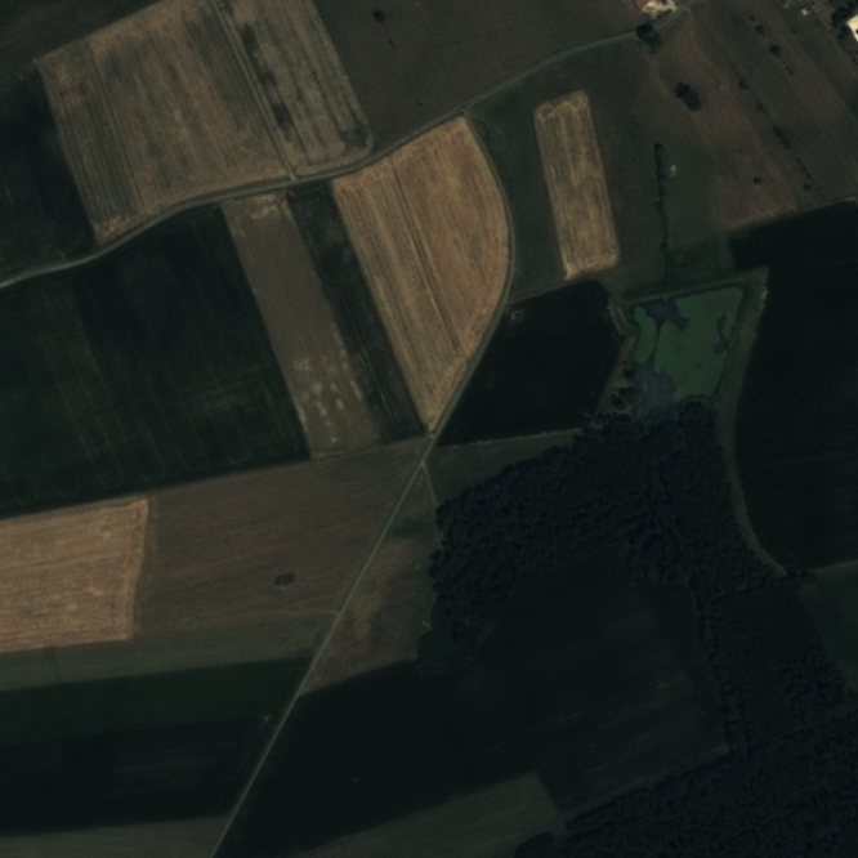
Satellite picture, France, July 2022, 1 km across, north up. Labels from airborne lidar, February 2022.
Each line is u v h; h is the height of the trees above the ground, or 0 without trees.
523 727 0
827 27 0
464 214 0
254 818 0
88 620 0
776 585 14
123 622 0
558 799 0
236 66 0
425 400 0
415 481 0
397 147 0
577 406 0
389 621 0
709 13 0
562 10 0
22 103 0
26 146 0
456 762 0
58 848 0
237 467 0
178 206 0
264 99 0
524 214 0
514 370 0
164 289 0
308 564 0
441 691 0
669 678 0
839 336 0
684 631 0
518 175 0
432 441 0
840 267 0
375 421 0
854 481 0
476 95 0
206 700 0
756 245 0
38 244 0
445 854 0
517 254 0
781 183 0
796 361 0
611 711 0
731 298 0
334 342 0
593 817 13
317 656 0
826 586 0
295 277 0
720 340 0
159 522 0
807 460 0
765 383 0
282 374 0
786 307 0
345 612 0
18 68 0
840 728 7
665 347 0
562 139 0
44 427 0
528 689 0
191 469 0
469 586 16
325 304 0
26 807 0
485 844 0
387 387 0
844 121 0
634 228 0
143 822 0
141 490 0
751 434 0
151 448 0
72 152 0
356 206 0
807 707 32
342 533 0
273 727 0
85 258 0
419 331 0
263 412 0
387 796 0
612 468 26
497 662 0
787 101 0
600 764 0
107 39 0
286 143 0
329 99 0
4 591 0
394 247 0
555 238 0
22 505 0
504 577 23
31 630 0
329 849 0
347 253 0
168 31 0
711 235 0
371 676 0
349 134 0
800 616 16
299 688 0
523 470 13
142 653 0
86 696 0
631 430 23
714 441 13
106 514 0
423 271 0
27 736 0
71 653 0
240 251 0
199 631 0
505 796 0
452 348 0
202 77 0
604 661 0
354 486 0
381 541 0
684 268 0
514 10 0
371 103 0
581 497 26
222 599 0
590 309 0
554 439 0
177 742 0
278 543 0
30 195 0
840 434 0
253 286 0
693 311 0
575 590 0
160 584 0
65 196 0
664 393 0
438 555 7
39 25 0
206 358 0
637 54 0
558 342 0
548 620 0
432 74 0
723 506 16
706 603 17
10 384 0
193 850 0
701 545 22
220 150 0
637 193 0
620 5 0
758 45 0
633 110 0
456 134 0
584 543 16
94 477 0
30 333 0
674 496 27
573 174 0
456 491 0
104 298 0
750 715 24
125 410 0
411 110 0
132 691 0
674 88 0
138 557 0
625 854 22
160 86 0
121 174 0
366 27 0
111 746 0
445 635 6
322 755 0
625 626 0
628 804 14
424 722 0
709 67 0
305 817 0
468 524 22
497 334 0
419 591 0
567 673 0
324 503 0
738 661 24
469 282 0
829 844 24
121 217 0
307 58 0
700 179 0
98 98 0
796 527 0
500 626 0
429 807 0
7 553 0
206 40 0
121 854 0
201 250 0
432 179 0
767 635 17
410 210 0
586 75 0
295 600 0
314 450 0
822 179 0
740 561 18
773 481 0
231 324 0
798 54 0
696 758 0
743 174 0
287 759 0
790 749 30
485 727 0
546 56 0
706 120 0
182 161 0
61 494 0
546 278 0
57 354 0
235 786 0
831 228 0
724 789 28
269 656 0
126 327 0
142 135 0
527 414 0
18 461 0
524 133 0
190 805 0
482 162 0
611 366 0
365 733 0
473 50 0
